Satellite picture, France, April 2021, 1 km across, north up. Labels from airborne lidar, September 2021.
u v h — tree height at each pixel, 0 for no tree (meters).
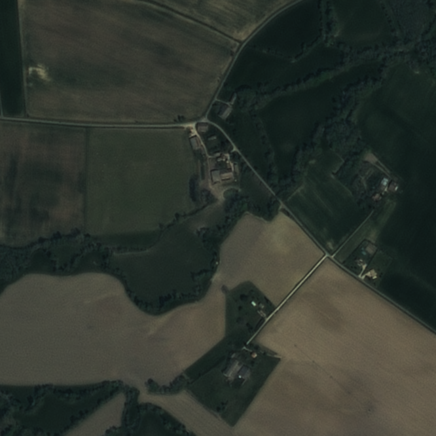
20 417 0
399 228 0
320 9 13
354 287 0
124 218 0
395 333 0
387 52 15
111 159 0
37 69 0
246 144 0
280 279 0
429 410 0
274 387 0
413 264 0
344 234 0
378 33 0
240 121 0
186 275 0
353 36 0
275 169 10
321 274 0
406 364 0
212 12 0
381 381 0
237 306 0
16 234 0
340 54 0
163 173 0
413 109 0
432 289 0
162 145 0
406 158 0
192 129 0
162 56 0
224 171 0
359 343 0
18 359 0
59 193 0
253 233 0
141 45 0
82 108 0
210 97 0
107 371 0
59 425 0
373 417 0
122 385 16
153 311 19
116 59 0
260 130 17
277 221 0
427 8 10
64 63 0
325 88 0
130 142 0
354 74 0
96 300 0
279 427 0
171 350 0
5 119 0
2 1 0
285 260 0
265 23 0
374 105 0
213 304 0
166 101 0
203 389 0
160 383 0
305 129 0
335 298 0
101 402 13
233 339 0
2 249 16
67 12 0
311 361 0
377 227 0
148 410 10
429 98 0
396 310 0
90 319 0
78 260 16
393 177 0
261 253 0
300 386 0
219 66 0
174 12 0
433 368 0
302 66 0
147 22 0
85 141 0
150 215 0
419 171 0
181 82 0
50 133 0
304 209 0
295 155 9
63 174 0
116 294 0
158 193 0
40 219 0
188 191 0
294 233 0
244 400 0
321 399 0
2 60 0
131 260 0
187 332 0
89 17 0
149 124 0
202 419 0
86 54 0
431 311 0
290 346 0
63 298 0
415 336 0
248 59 0
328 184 0
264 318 6
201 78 0
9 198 0
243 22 0
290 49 0
